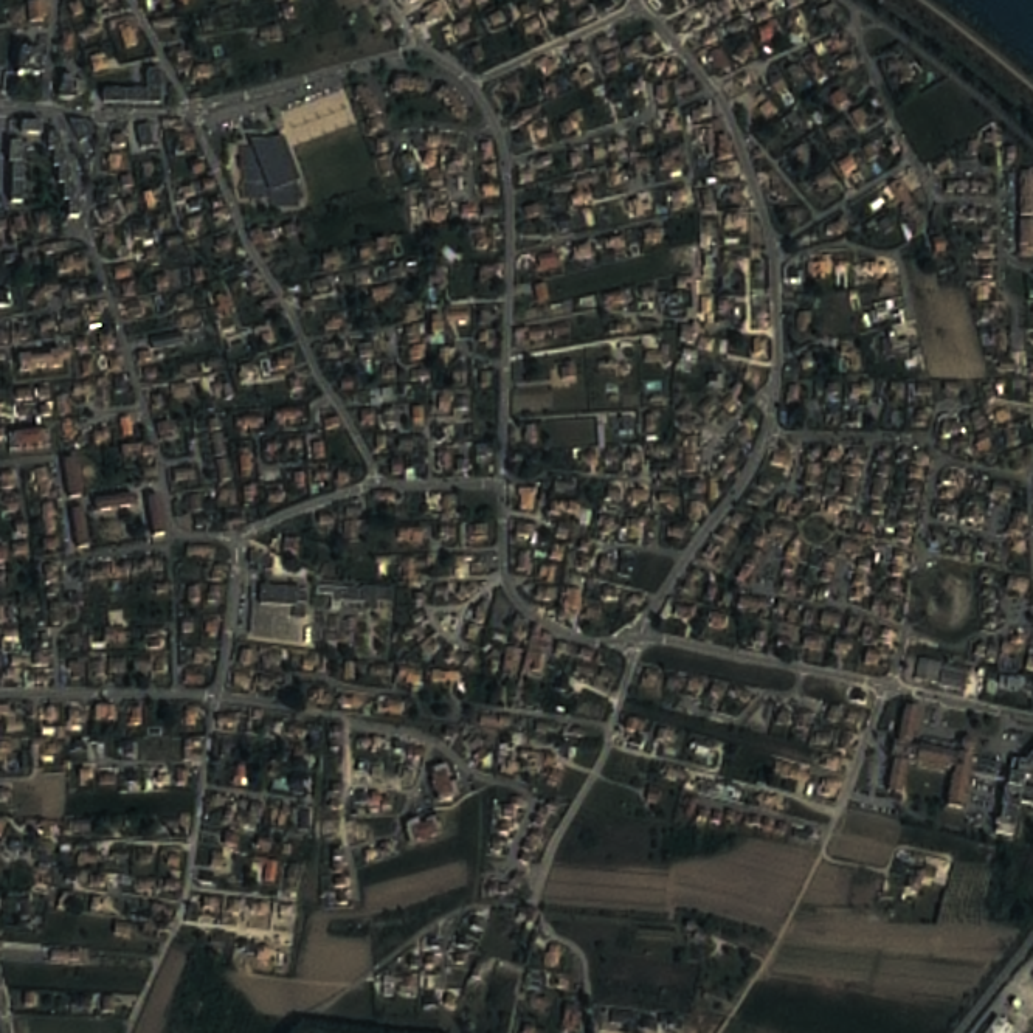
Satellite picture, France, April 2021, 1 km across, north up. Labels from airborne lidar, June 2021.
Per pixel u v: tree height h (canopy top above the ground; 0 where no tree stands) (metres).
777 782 7
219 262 6
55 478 0
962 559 6
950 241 8
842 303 0
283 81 0
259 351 20
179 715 6
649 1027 7
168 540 0
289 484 7
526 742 0
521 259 0
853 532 7
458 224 11
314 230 0
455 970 0
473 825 0
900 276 0
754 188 0
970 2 0
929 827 8
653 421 0
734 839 8
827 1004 0
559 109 0
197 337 0
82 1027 0
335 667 8
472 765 0
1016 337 0
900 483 8
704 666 0
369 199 0
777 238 0
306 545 8
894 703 7
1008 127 13
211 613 0
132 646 10
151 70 0
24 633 8
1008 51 6
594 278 0
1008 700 5
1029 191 0
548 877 0
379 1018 9
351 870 0
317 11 0
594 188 6
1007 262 0
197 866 0
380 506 7
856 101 6
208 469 8
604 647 8
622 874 0
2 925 9
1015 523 0
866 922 0
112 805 0
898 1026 0
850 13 0
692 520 7
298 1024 14
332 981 0
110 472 10
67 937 0
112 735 14
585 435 0
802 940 0
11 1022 0
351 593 0
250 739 12
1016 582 0
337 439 0
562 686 0
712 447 0
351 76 9
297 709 14
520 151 0
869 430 13
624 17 0
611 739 0
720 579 9
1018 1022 0
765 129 15
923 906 0
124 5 8
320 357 8
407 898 0
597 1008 0
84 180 7
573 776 0
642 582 0
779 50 10
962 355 0
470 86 0
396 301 6
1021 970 0
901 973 0
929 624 16
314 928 0
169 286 8
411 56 7
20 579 9
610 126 0
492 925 0
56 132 0
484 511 11
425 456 6
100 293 6
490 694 12
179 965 0
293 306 0
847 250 0
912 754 0
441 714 13
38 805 0
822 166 14
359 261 6
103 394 0
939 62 23
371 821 0
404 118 9
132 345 0
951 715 0
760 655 0
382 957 0
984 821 0
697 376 0
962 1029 0
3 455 0
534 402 0
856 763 0
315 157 0
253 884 15
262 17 6
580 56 7
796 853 0
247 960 0
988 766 0
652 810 7
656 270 0
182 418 8
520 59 0
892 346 0
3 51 0
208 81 8
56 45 11
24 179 9
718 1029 0
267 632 0
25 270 16
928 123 0
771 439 0
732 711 7
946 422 0
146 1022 0
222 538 0
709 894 0
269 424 12
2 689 0
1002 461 6
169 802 0
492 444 12
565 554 6
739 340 14
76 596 9
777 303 0
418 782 0
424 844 0
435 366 15
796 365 10
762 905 0
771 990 0
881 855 0
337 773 0
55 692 0
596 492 6
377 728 0
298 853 0
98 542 8
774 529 0
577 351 0
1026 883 0
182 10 13
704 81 0
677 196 0
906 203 0
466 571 0
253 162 0
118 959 0
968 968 0
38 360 0
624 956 0
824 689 0
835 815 0
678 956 12
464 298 0
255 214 10
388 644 11
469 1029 11
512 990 0
